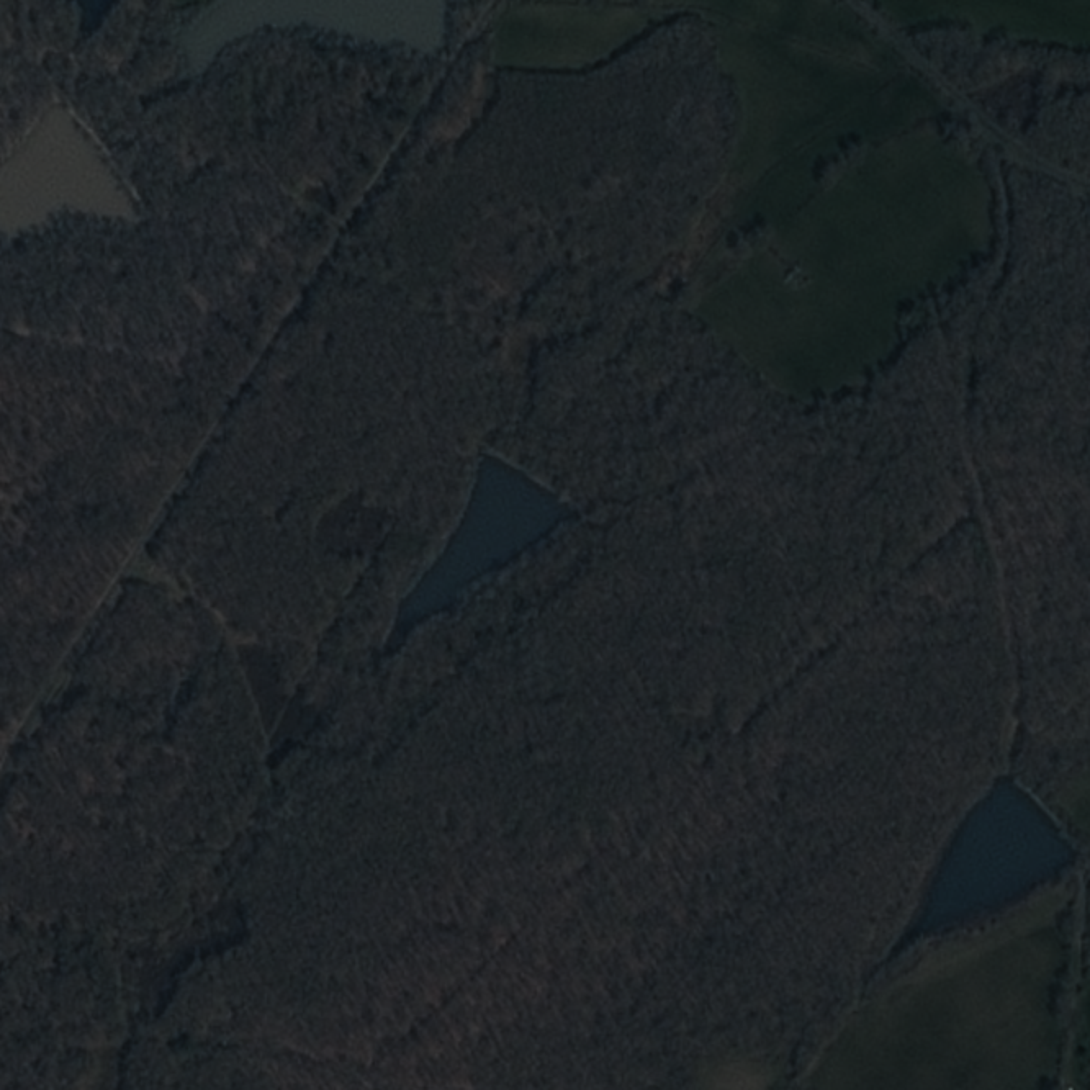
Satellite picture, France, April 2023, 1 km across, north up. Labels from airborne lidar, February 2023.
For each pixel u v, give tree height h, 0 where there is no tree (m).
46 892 19
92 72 25
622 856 23
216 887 10
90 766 21
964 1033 0
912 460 21
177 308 23
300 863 21
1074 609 19
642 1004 22
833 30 0
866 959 16
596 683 21
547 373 23
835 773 24
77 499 23
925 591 21
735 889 20
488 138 12
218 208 18
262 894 17
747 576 18
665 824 21
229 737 20
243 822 22
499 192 13
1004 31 0
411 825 19
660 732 20
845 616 20
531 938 20
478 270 8
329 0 0
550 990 21
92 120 24
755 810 17
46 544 20
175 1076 18
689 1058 18
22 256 15
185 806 19
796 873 24
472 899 20
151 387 22
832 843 25
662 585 20
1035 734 16
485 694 20
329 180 17
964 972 0
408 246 14
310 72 11
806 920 21
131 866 18
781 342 0
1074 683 18
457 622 21
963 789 9
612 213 13
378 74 20
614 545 18
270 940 18
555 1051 20
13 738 15
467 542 0
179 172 18
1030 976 0
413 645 22
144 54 18
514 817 19
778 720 24
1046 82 23
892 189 0
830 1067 0
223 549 10
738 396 18
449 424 24
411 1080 17
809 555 21
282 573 17
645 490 18
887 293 0
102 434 15
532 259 10
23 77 17
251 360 21
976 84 26
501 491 0
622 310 24
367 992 16
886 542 13
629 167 13
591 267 11
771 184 0
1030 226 21
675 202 19
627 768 22
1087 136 17
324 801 21
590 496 15
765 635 18
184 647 14
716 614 26
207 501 20
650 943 23
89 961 16
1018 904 0
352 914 20
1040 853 0
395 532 10
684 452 23
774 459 24
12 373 23
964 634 22
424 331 20
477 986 21
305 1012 17
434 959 24
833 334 0
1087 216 16
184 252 20
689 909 18
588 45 0
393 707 12
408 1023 18
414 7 0
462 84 22
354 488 19
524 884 24
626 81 13
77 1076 16
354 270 19
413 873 19
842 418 14
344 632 16
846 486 19
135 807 18
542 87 12
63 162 0
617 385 19
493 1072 19
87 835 19
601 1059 22
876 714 21
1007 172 15
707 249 0
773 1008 18
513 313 19
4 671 27
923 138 0
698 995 23
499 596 9
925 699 23
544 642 19
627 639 14
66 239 16
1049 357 18
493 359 18
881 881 24
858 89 0
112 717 20
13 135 17
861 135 0
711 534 19
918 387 18
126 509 20
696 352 15
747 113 19
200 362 18
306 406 19
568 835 24
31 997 22
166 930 10
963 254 0
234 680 19
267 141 16
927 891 0
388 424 14
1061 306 21
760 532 21
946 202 0
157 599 17
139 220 16
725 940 22
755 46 0
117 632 17
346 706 15
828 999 16
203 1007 18
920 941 18
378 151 20
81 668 20
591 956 24
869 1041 0
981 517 24
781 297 0
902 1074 0
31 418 20
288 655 17
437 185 13
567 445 20
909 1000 0
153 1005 9
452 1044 22
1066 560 23
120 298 18
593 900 24
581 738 20
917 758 22
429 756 20
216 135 16
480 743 17
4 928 19
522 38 0
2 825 18
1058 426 22
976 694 21
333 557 17
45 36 17
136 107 23
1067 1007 21
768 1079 0
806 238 0
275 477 20
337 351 22
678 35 19
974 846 0
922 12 0
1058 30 0
